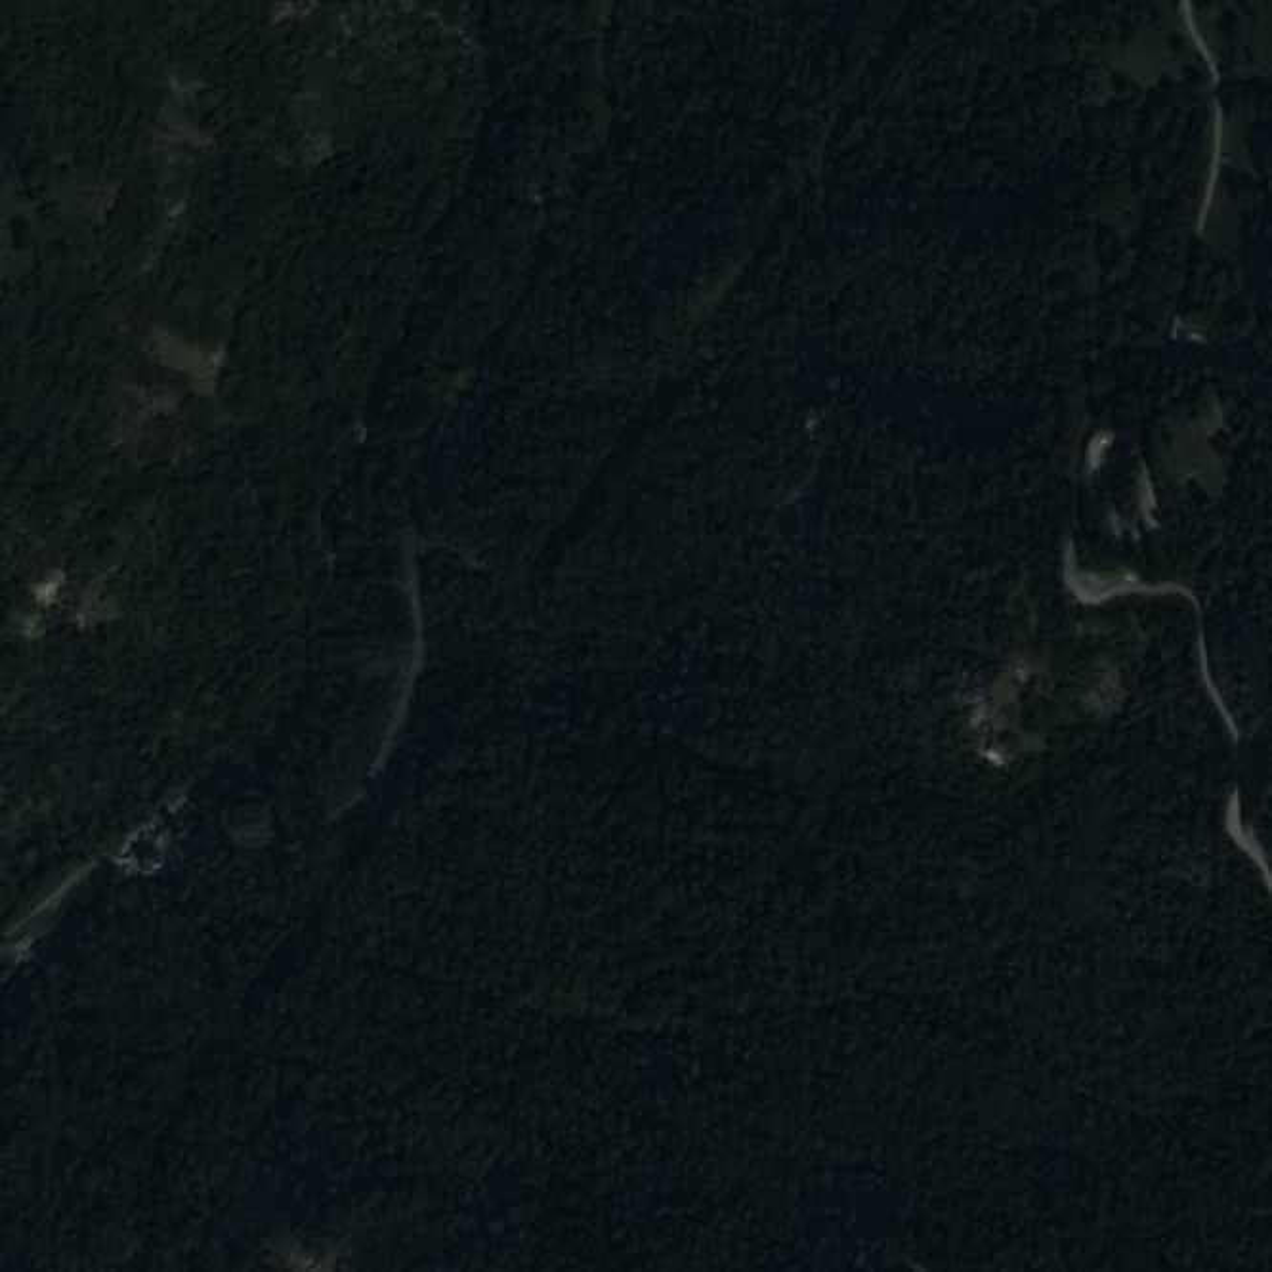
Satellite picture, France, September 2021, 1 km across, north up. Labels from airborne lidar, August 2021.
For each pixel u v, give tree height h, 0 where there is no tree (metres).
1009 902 24
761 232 8
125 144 14
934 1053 19
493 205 30
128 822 19
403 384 31
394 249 23
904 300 16
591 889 18
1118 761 13
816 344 22
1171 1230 20
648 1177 15
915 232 15
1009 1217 18
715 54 21
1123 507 22
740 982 19
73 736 20
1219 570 21
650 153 24
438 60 21
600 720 25
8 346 14
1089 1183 25
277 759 20
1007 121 26
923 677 7
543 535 19
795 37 29
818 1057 16
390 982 25
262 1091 24
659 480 24
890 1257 20
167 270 12
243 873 24
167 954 25
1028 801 10
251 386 20
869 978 16
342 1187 24
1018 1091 14
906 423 13
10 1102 7
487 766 21
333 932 18
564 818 26
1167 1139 22
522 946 25
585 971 26
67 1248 22
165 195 7
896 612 23
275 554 27
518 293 29
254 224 25
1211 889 12
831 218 16
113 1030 7
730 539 27
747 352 24
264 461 25
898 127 22
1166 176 22
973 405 26
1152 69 0
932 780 7
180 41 14
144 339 7
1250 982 22
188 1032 23
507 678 7
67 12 13
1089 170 27
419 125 15
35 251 19
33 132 14
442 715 7
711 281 21
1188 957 28
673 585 12
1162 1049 18
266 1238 11
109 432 8
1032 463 20
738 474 15
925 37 26
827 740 7
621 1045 13
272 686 14
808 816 7
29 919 0
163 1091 23
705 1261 14
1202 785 14
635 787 29
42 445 22
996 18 19
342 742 21
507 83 28
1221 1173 19
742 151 27
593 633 26
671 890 14
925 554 16
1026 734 21
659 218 23
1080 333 21
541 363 19
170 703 26
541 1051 16
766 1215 14
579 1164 10
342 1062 22
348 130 18
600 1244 15
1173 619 14
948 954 24
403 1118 25
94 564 11
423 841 24
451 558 6
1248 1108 26
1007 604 19
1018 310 27
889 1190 15
